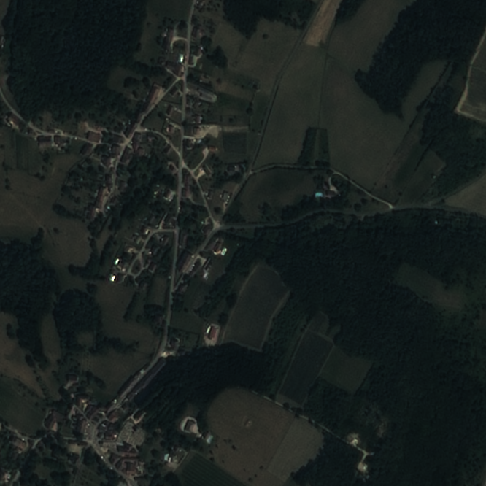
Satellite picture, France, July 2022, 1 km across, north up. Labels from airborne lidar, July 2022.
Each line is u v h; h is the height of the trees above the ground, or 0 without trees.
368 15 0
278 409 0
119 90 0
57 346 0
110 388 0
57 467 17
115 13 21
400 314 14
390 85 24
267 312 0
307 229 17
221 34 0
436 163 0
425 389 18
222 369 22
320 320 0
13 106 0
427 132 16
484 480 0
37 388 0
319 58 0
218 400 0
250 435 0
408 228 7
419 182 0
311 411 5
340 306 23
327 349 0
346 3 18
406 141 0
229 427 0
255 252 14
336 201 19
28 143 0
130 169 6
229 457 0
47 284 27
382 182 0
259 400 0
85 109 11
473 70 0
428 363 20
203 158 0
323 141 0
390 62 25
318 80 0
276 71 0
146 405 12
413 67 22
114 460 0
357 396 7
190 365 16
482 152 7
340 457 23
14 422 0
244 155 0
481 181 0
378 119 0
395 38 23
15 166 0
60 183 0
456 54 25
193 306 0
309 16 6
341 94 0
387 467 14
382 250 13
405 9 0
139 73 13
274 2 23
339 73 0
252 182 0
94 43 24
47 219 0
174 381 13
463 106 0
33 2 20
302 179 0
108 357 0
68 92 19
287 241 16
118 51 19
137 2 26
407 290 12
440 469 12
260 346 0
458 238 17
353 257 15
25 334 26
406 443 16
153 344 0
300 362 0
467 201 0
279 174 0
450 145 9
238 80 0
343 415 15
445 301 0
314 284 24
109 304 0
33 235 0
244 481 0
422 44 25
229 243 0
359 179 0
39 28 20
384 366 13
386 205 0
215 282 0
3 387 0
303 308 6
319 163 13
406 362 21
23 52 21
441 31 25
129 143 0
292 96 0
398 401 23
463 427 17
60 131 0
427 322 13
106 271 0
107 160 0
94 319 23
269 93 0
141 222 0
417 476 15
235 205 0
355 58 0
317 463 16
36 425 0
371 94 12
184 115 0
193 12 0
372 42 0
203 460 0
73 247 0
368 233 14
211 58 9
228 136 0
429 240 22
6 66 0
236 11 21
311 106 0
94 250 10
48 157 6
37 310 31
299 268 27
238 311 0
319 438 0
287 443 0
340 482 19
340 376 0
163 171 11
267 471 0
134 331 0
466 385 18
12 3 7
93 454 14
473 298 0
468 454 8
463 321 10
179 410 18
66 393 18
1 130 0
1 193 0
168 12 0
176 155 0
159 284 0
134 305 7
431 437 16
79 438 21
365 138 0
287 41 0
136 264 0
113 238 12
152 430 11
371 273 17
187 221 11
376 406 19
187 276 12
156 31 0
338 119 0
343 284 23
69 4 25
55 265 0
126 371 0
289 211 13
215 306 9
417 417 19
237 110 0
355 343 18
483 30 7
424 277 0
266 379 7
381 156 0
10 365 0
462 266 7
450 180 8
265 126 0
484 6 22
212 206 0
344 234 11
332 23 0
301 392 0
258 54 0
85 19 25
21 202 0
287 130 0
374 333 23
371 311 22
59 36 24
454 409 18
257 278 0
